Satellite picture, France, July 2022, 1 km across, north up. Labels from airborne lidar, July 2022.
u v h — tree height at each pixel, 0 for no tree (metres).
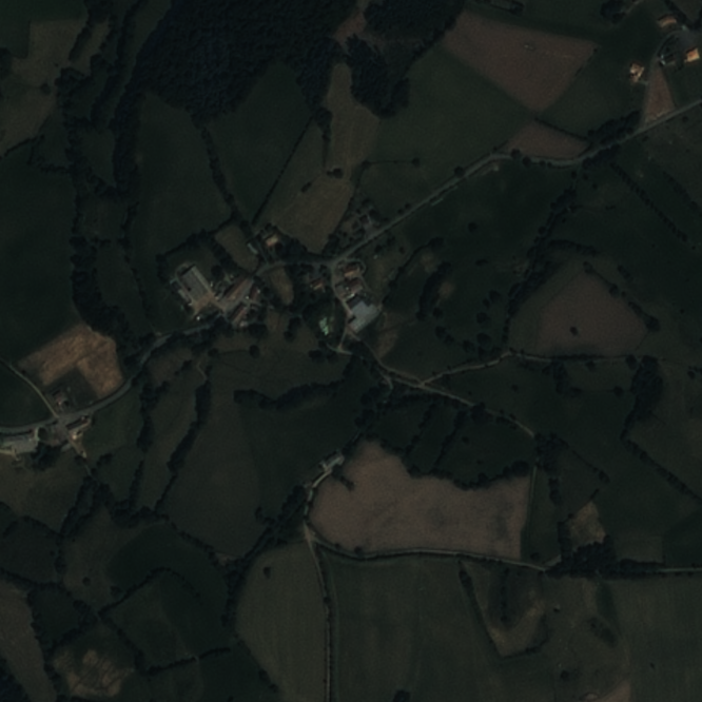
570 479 0
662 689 0
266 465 0
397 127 0
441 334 17
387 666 0
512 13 9
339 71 0
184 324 0
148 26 0
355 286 0
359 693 0
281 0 14
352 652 0
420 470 15
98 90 0
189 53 18
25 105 0
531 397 0
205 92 22
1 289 0
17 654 0
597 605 0
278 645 0
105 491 15
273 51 19
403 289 0
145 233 0
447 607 0
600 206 0
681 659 0
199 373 0
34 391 0
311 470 0
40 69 0
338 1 13
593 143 5
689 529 0
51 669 17
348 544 0
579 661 0
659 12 0
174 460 12
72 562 0
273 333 0
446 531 0
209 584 0
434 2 14
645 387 19
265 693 0
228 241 0
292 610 0
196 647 0
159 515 15
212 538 0
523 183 0
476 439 0
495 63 0
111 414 0
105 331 15
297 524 0
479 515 0
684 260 0
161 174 0
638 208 0
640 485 0
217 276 16
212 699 0
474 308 0
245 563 9
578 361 10
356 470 0
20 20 0
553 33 0
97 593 0
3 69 13
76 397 0
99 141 0
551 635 0
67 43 0
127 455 0
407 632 0
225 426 0
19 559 0
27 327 0
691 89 0
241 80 21
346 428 0
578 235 0
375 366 10
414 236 0
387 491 0
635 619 0
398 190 0
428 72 0
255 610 0
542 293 0
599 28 0
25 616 0
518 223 0
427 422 9
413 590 0
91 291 21
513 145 0
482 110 0
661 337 0
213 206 0
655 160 0
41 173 7
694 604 0
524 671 0
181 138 0
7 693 35
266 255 10
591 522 0
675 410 0
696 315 0
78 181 15
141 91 14
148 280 0
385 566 0
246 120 0
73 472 0
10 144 0
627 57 0
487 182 0
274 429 0
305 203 0
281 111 0
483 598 0
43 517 0
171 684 0
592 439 0
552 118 0
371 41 0
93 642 0
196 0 21
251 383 0
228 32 25
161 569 7
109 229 0
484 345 19
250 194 0
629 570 14
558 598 0
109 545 0
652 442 0
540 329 0
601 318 0
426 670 0
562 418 0
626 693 0
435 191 0
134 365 19
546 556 0
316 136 0
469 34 0
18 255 0
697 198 0
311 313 19
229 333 20
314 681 0
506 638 0
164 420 0
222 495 0
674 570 0
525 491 0
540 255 8
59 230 0
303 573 0
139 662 12
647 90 0
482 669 0
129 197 27
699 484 0
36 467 9
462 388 0
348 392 0
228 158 0
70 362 0
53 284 0
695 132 0
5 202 0
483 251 0
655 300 0
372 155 0
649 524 0
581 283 0
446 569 0
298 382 0
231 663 0
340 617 0
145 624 0
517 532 0
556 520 0
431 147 0
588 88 0
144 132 0
